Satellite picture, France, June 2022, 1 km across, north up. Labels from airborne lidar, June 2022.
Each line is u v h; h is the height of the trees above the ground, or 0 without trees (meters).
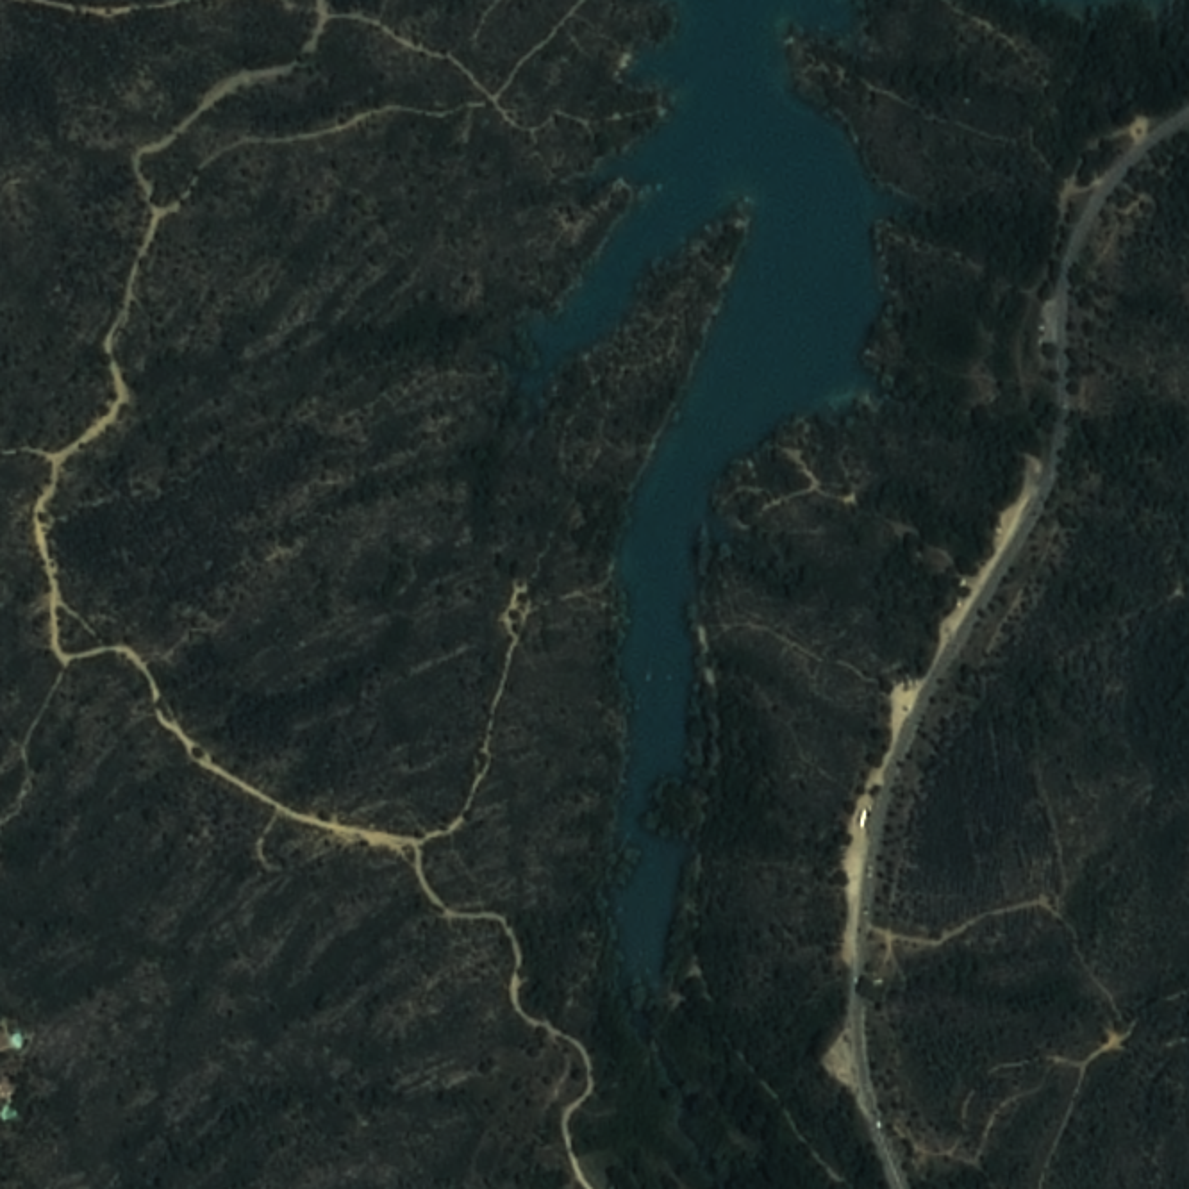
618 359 9
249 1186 6
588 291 0
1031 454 7
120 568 7
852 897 0
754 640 0
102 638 6
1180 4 7
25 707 0
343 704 11
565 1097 0
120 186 8
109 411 7
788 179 0
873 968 8
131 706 0
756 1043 8
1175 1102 7
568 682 0
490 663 8
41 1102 9
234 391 0
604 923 7
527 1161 7
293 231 0
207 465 8
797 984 11
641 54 0
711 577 6
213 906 0
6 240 0
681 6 0
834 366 0
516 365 0
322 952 0
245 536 6
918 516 11
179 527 8
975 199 9
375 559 0
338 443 10
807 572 14
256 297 0
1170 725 9
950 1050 6
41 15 9
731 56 0
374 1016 7
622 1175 11
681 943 10
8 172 0
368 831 0
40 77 5
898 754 0
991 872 7
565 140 0
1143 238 8
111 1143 0
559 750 0
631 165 0
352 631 0
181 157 5
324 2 0
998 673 10
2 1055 7
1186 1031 10
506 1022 0
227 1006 0
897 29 0
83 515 7
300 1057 0
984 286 6
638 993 13
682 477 0
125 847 6
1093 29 10
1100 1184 6
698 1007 14
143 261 7
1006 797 10
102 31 6
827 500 0
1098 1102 7
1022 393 8
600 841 10
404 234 0
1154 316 11
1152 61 11
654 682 0
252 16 7
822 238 0
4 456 7
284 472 9
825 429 6
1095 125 11
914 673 11
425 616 0
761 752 8
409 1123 0
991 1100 7
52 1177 0
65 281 6
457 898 0
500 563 9
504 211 0
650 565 0
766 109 0
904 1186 0
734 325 0
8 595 0
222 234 0
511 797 0
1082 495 6
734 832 7
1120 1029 7
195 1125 6
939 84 9
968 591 8
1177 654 9
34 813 6
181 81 6
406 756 0
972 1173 7
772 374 0
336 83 8
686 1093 7
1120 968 7
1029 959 9
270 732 10
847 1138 8
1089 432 12
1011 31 7
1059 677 9
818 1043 10
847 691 0
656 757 0
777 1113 8
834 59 7
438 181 6
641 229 0
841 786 0
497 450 13
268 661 0
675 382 6
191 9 7
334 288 0
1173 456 7
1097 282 9
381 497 7
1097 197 0
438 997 6
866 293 0
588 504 8
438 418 7
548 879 0
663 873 0
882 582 10
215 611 7
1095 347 7
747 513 7
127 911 0
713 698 13
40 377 8
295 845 0
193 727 0
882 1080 7
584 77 0
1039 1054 7
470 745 0
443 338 15
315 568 8
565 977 8
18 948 0
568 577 0
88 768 0
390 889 0
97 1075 0
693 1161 7
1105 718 7
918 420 8
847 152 0
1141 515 10
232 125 0
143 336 0
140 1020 0
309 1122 7
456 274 0
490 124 0
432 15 0
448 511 8
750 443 0
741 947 6
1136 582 8
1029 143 6
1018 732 9
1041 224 12
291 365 8
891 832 12
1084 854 0
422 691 0
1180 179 9
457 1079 0
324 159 0
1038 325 0
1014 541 0
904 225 7
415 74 0
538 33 0
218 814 10
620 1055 13
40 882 0
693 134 0
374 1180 0
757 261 0
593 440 7
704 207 0
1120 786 6
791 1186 17
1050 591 6
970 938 8
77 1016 0
